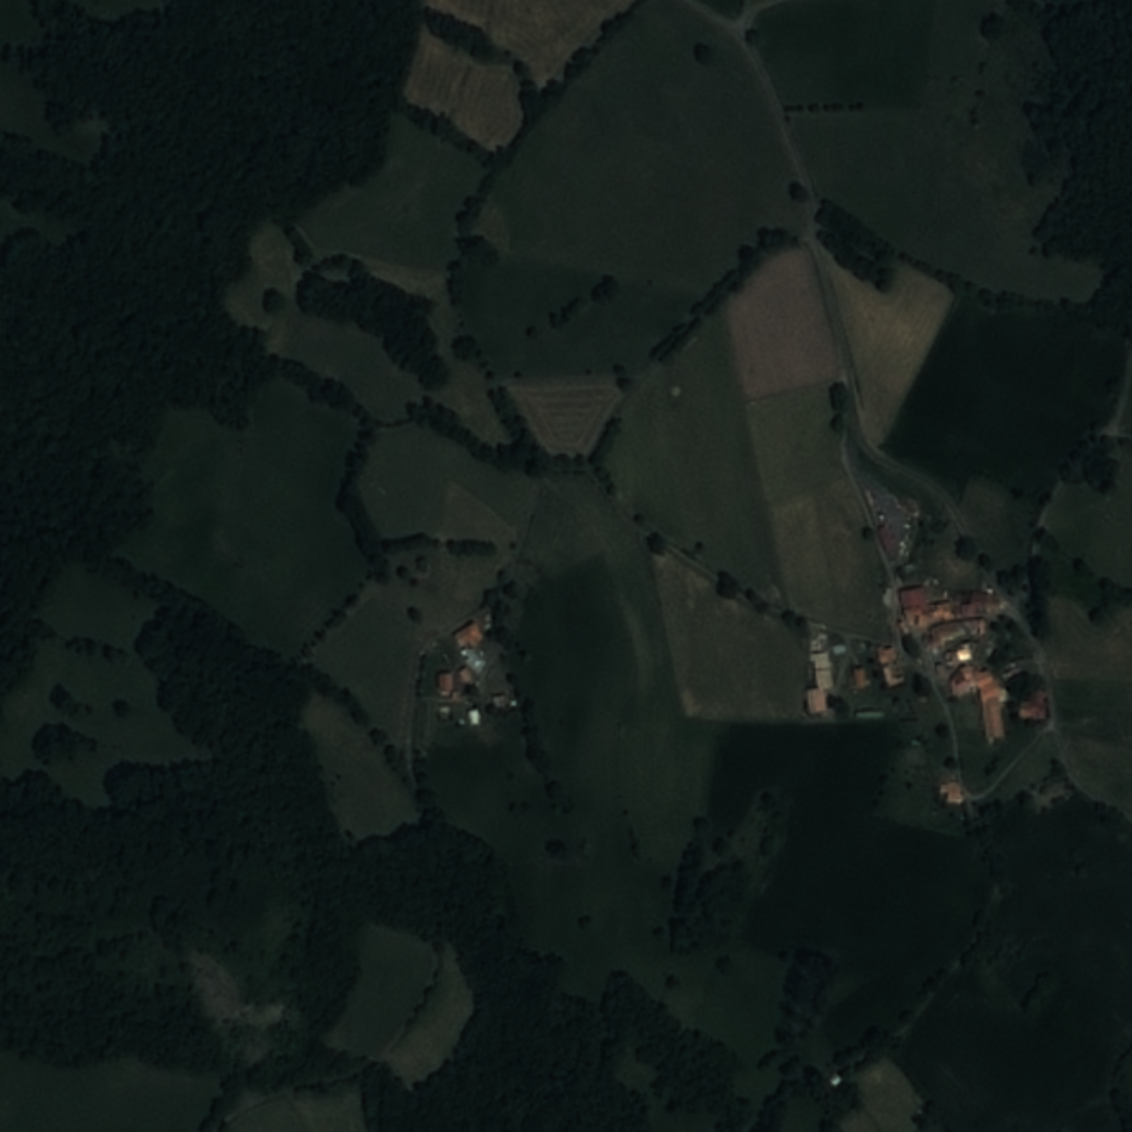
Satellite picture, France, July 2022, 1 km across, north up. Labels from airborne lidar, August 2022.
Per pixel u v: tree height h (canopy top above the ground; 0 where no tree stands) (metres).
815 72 0
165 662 18
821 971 33
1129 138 12
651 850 0
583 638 0
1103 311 17
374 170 13
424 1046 0
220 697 11
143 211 16
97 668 0
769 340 0
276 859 7
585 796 0
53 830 22
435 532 0
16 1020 11
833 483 0
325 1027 11
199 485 0
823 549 0
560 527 0
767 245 18
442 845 26
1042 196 0
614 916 0
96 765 0
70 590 0
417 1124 19
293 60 17
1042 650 0
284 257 0
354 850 14
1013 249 0
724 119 0
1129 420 0
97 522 22
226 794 15
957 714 0
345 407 15
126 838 19
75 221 16
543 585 0
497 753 0
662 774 0
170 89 19
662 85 0
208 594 0
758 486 0
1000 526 0
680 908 15
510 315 0
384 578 11
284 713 19
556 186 0
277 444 0
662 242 0
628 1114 18
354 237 0
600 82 0
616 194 0
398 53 19
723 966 14
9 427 18
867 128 0
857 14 0
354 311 16
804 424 0
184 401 15
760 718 0
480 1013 14
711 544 0
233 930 0
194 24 19
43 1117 0
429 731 0
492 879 28
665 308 0
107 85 20
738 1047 0
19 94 0
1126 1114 13
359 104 16
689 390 0
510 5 0
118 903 10
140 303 18
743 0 10
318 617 0
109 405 18
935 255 0
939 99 0
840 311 0
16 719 0
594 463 12
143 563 0
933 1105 13
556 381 0
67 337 18
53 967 15
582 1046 19
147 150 18
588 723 0
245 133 15
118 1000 12
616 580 0
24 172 21
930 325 0
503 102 0
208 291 8
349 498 16
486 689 0
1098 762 0
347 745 0
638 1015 16
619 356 0
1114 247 18
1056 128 11
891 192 0
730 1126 12
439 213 0
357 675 0
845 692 0
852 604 0
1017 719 12
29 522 20
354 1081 7
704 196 0
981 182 0
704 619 0
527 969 26
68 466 21
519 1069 14
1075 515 0
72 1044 11
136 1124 0
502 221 0
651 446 0
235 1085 14
